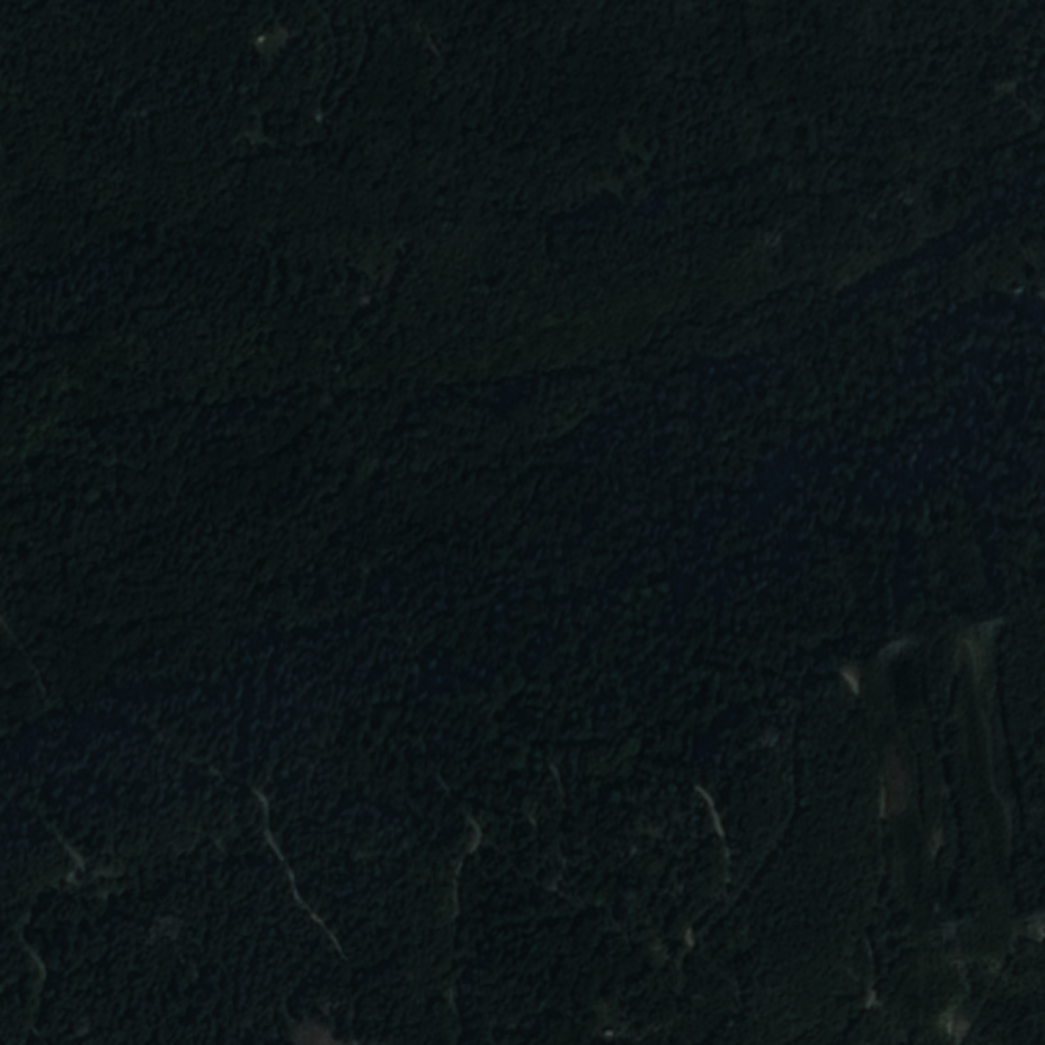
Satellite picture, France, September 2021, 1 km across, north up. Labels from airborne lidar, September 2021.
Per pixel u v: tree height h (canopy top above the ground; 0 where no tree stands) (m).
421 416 18
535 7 26
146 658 16
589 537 30
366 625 28
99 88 17
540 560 30
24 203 14
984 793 6
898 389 29
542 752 18
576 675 22
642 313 22
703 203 26
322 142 18
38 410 17
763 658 22
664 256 33
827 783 26
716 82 28
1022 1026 15
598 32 20
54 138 23
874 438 28
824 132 26
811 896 18
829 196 30
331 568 15
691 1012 19
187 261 36
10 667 24
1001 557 27
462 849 17
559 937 20
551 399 19
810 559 20
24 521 31
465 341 26
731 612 20
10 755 16
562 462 24
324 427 21
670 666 27
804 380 20
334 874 17
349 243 21
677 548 26
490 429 20
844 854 20
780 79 27
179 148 25
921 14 31
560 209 18
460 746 26
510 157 23
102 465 26
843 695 18
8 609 17
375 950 21
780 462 10
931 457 21
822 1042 19
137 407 35
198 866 30
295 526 25
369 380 27
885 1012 8
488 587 21
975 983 20
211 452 22
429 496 20
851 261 18
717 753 24
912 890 6
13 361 25
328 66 25
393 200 19
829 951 18
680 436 26
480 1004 16
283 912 29
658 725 12
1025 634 18
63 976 18
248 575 13
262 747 28
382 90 29
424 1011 11
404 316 24
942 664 18
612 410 23
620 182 24
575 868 20
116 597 18
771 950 21
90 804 11
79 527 33
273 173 24
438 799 18
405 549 15
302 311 23
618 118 28
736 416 29
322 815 35
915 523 25
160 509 19
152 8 32
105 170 23
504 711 6
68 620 19
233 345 28
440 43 15
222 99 33
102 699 15
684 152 28
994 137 12
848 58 16
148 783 26
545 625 29
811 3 28
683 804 15
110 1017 17
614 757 17
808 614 21
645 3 24
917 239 19
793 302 16
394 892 26
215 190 23
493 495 29
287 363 29
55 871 17
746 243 26
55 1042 22
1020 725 21
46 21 27
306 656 28
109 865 13
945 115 23
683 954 27
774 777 22
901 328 31
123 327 24
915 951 13
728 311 27
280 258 25
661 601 31
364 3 23
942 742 16
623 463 30
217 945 19
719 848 15
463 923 10
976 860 12
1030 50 13
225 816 26
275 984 23
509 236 25
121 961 29
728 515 16
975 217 17
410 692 29
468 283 21
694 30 27
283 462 25
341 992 25
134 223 20
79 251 16
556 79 20
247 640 21
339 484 31
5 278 25
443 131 28
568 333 21
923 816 9
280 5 32
